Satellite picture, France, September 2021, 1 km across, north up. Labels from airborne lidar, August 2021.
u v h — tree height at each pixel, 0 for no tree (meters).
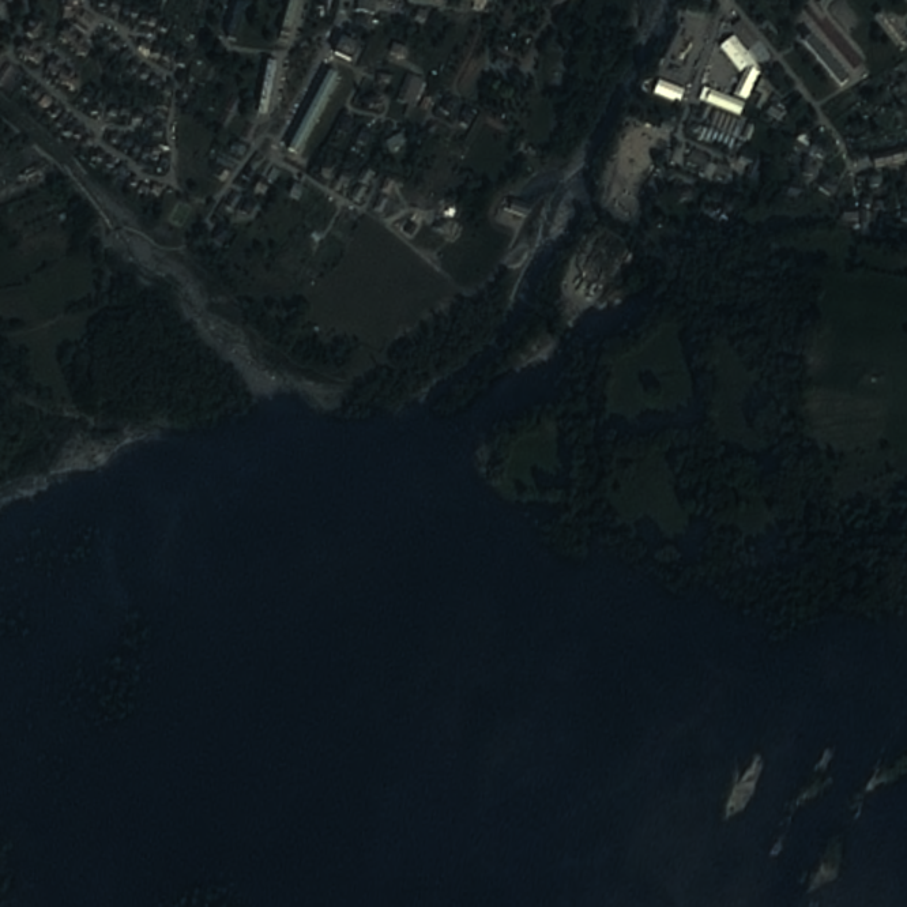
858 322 0
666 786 0
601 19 8
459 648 20
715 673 28
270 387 0
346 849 13
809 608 25
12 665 14
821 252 0
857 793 8
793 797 7
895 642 24
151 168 7
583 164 0
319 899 20
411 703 28
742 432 0
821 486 8
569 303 0
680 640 17
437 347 18
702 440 23
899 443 0
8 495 0
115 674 15
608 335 16
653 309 24
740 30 0
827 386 0
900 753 9
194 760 21
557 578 25
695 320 19
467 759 8
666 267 13
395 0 0
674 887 0
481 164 0
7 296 0
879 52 0
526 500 11
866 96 14
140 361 16
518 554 21
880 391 0
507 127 12
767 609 30
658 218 14
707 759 10
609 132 23
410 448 12
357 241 0
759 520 0
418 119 0
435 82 7
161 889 26
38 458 6
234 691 22
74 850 18
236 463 0
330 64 0
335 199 0
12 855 22
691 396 0
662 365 0
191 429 9
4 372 25
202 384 20
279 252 6
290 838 23
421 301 0
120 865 11
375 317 0
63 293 0
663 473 0
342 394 0
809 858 11
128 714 21
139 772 22
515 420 23
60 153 0
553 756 0
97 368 17
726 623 28
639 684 28
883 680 22
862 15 0
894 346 0
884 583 24
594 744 13
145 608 11
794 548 21
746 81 0
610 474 14
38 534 21
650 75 20
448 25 8
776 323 14
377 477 18
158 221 15
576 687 18
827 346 0
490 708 17
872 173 8
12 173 0
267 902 25
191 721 22
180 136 0
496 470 14
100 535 7
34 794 21
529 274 0
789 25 15
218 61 16
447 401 21
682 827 0
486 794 0
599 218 11
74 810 27
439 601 22
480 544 21
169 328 16
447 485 13
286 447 11
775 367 12
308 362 12
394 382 15
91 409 11
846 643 23
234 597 15
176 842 19
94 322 9
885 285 0
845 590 29
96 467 0
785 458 20
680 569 24
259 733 30
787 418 15
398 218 0
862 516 8
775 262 17
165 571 0
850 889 0
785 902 0
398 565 18
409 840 0
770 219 0
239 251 0
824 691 11
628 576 25
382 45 0
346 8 6
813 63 8
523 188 0
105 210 0
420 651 22
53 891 17
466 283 0
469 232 0
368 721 15
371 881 8
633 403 0
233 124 0
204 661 13
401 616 24
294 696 21
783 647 26
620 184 0
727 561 18
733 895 0
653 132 0
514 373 0
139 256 0
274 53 0
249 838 16
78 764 23
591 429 25
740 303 12
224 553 17
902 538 18
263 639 16
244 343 0
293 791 16
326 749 17
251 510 8
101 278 14
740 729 0
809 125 10
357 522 16
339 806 14
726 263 20
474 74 0
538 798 0
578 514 20
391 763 15
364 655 26
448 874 14
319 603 16
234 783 19
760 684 21
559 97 15
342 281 0
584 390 21
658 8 0
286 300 0
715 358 17
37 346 0
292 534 17
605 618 20
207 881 24
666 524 0
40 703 15
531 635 22
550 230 0
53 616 15
